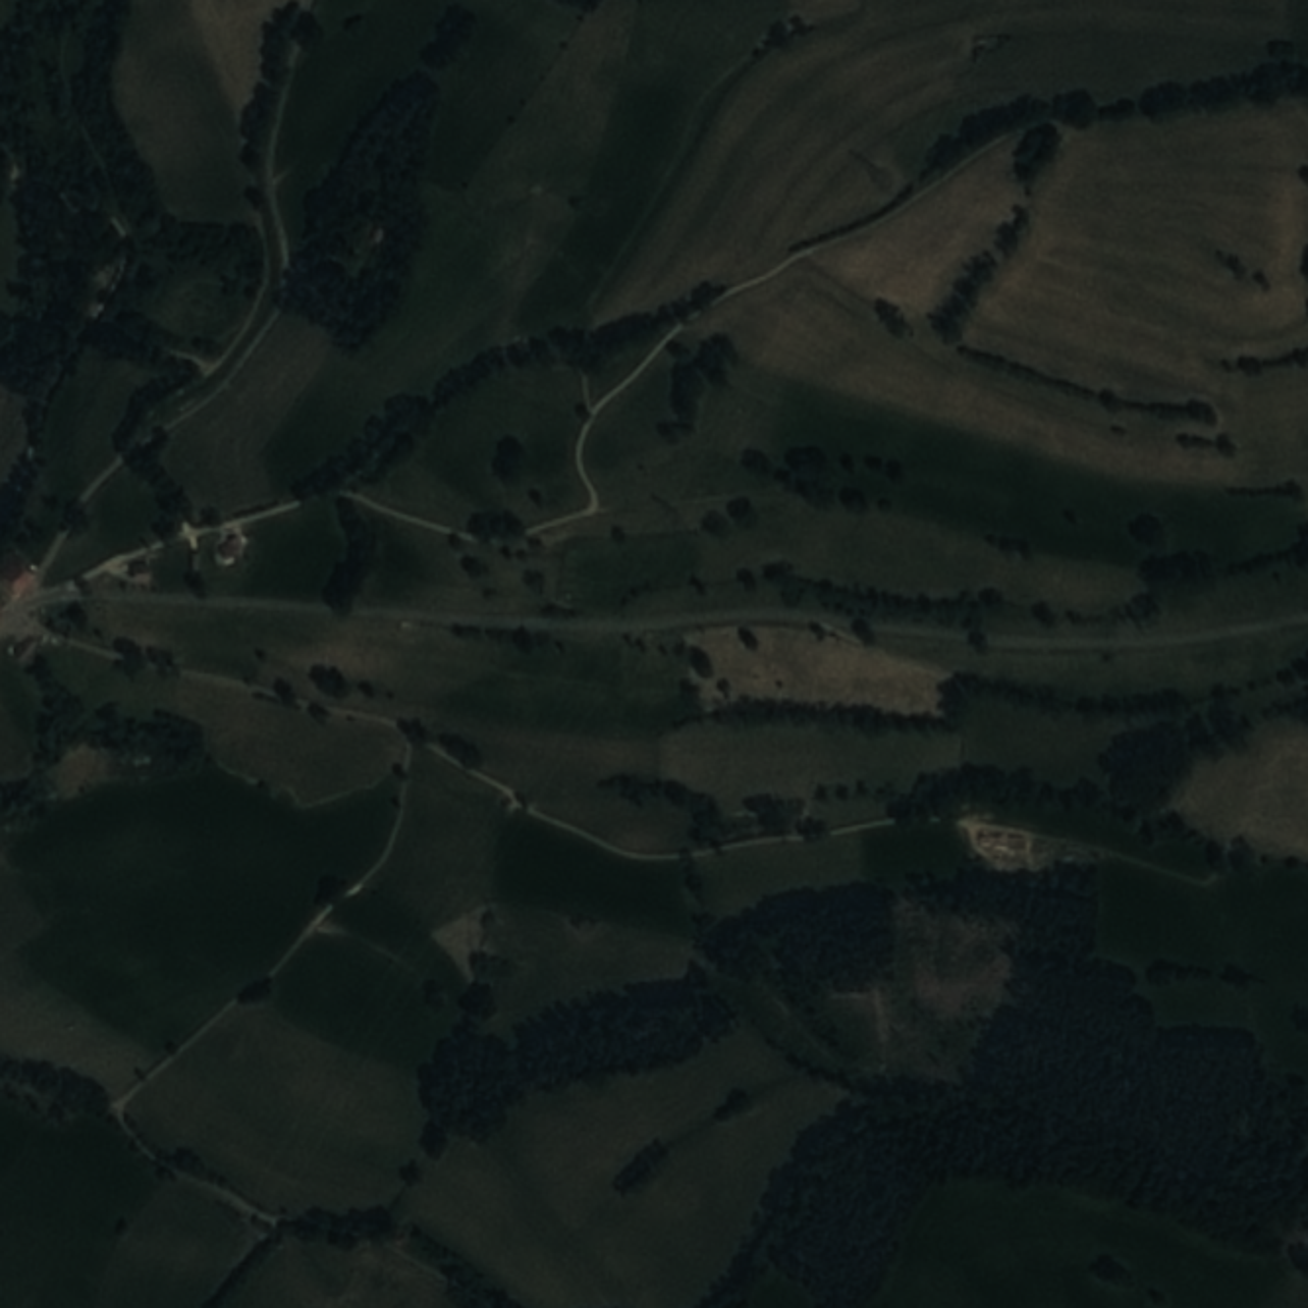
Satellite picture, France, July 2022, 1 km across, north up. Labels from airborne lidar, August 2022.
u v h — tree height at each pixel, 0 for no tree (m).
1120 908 0
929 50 0
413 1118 0
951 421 0
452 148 0
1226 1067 25
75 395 0
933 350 0
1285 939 0
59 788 0
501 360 21
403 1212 0
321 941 0
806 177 0
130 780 0
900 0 0
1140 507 0
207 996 0
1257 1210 29
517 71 0
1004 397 0
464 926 0
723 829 23
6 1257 0
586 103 0
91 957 0
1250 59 0
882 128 0
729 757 0
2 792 13
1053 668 0
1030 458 0
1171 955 0
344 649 0
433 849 0
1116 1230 0
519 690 0
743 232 0
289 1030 0
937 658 0
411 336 0
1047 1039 31
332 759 0
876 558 0
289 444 0
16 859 0
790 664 0
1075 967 19
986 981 0
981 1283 0
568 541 0
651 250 0
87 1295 0
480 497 0
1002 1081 30
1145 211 0
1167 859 0
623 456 0
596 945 0
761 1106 0
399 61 0
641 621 0
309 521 0
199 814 0
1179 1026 0
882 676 0
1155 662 0
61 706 27
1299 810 0
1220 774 0
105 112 12
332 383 0
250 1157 0
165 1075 0
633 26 0
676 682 0
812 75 0
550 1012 0
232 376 0
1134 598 0
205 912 0
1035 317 0
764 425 0
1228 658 0
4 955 0
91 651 0
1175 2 0
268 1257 7
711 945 8
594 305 0
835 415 0
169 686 0
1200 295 0
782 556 0
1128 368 0
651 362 0
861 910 31
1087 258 0
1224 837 0
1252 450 0
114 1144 0
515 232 0
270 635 0
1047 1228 0
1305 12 0
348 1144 0
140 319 8
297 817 0
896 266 0
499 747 0
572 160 0
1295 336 0
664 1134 0
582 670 0
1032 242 0
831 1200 26
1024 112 16
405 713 0
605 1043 29
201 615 0
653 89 0
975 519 0
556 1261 0
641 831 0
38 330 29
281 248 0
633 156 0
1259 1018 0
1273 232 0
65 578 0
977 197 0
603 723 0
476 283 0
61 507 11
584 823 0
